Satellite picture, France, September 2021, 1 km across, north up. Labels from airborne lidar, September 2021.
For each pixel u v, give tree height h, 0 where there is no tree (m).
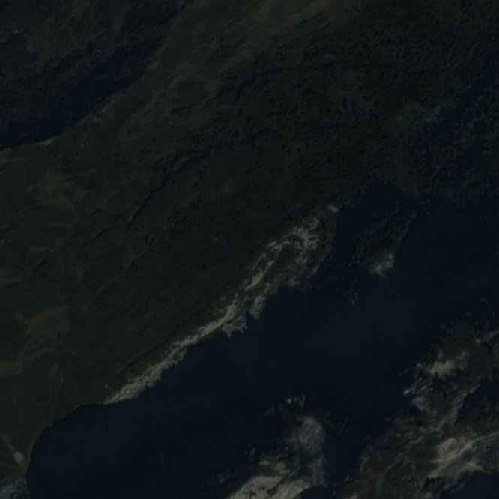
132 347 0
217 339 0
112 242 0
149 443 6
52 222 0
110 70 6
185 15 0
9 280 0
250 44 0
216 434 8
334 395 12
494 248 9
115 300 0
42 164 0
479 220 8
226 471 6
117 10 0
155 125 0
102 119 0
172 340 0
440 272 6
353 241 18
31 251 0
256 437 0
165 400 0
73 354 0
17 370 0
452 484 0
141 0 0
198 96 0
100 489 10
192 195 0
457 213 0
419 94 11
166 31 0
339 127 11
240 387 0
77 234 0
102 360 0
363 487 0
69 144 0
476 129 0
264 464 0
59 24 0
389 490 0
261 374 0
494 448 0
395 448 0
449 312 10
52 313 0
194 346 0
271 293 0
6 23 0
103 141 0
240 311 0
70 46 0
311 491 0
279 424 0
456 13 6
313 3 0
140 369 0
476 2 25
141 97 0
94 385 0
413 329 0
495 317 8
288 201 6
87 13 0
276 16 0
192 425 10
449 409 0
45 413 0
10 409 0
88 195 0
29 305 0
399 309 0
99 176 0
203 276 0
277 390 8
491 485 0
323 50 6
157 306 0
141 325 0
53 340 0
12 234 0
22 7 0
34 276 0
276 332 0
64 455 0
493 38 7
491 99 9
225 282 0
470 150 0
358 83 9
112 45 0
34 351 0
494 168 0
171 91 0
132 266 0
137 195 0
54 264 0
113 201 0
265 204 10
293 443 0
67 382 0
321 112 11
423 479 0
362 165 6
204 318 0
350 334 0
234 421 8
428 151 8
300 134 7
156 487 0
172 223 8
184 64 0
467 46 8
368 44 7
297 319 0
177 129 0
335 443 0
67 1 0
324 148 11
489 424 0
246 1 0
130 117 0
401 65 10
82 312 0
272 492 0
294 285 0
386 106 9
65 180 0
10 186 0
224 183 0
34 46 0
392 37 7
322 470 0
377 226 7
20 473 0
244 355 0
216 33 0
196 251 6
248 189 8
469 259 7
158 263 0
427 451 0
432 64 14
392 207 11
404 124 0
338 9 0
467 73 8
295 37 0
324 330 0
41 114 0
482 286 0
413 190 0
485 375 0
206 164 0
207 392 0
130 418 0
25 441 0
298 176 7
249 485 0
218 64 0
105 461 0
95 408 0
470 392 0
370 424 9
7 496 0
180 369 0
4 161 0
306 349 0
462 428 0
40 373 0
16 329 0
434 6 9
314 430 0
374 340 0
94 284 0
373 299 0
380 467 0
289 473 0
